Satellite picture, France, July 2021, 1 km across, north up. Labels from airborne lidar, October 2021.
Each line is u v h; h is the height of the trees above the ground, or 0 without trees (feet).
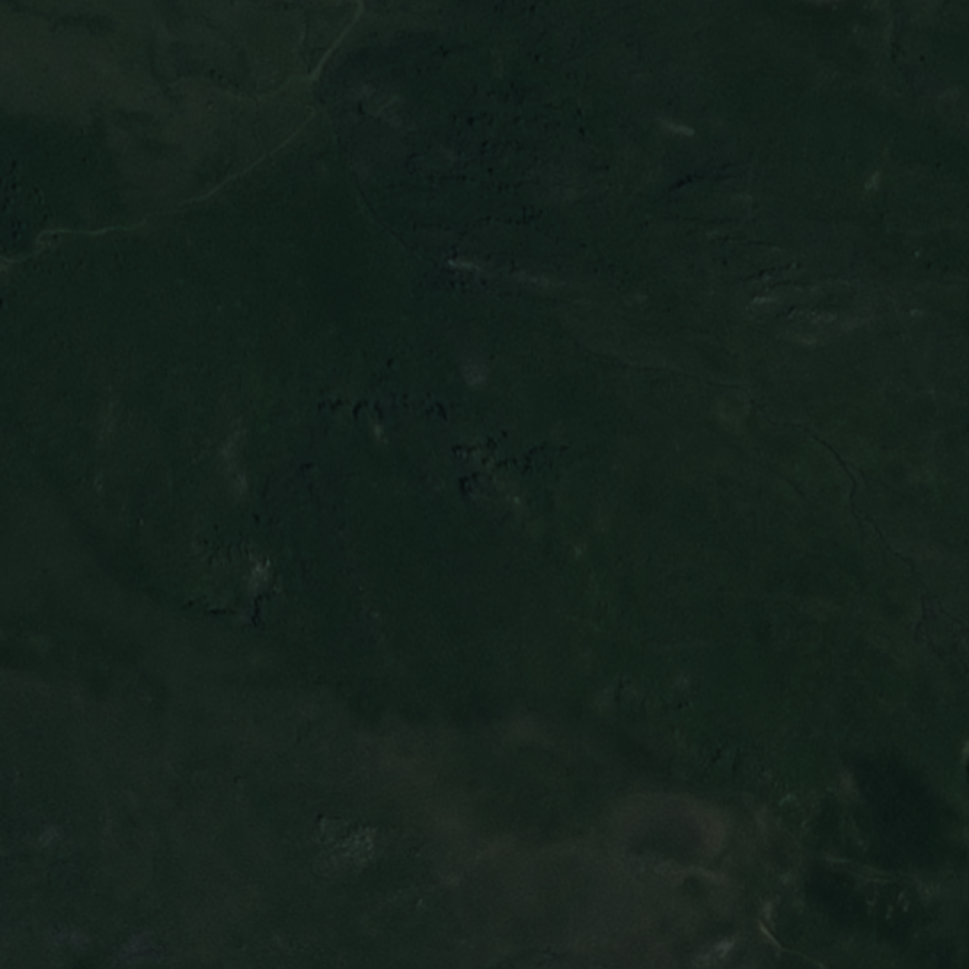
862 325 0
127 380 0
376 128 0
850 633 0
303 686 0
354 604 0
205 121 0
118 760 0
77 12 0
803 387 0
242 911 0
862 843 0
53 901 0
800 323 0
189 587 0
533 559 0
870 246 0
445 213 0
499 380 0
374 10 0
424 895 0
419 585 0
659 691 0
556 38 0
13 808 0
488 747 0
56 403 0
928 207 0
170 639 0
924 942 0
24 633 0
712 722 0
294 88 0
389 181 0
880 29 0
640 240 0
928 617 0
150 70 0
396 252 0
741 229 0
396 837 0
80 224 0
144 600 0
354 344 0
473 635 0
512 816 0
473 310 0
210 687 0
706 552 0
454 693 0
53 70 0
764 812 0
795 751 0
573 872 0
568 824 0
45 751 0
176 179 0
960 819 0
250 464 0
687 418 0
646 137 0
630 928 0
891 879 0
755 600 0
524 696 0
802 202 0
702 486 0
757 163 0
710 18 0
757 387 0
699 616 0
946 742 0
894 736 0
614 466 0
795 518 0
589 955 0
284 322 0
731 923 0
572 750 0
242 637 0
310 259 0
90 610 0
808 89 0
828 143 0
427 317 0
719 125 0
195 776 0
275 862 0
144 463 0
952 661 0
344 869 0
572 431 0
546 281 0
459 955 0
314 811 0
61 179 0
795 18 0
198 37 0
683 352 0
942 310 0
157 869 0
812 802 0
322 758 0
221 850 0
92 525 0
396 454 0
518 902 0
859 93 0
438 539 0
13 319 0
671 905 0
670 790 0
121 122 0
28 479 0
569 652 0
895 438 0
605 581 0
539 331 0
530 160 0
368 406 23
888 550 0
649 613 0
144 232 0
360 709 0
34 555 0
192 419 0
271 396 0
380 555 0
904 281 0
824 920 0
